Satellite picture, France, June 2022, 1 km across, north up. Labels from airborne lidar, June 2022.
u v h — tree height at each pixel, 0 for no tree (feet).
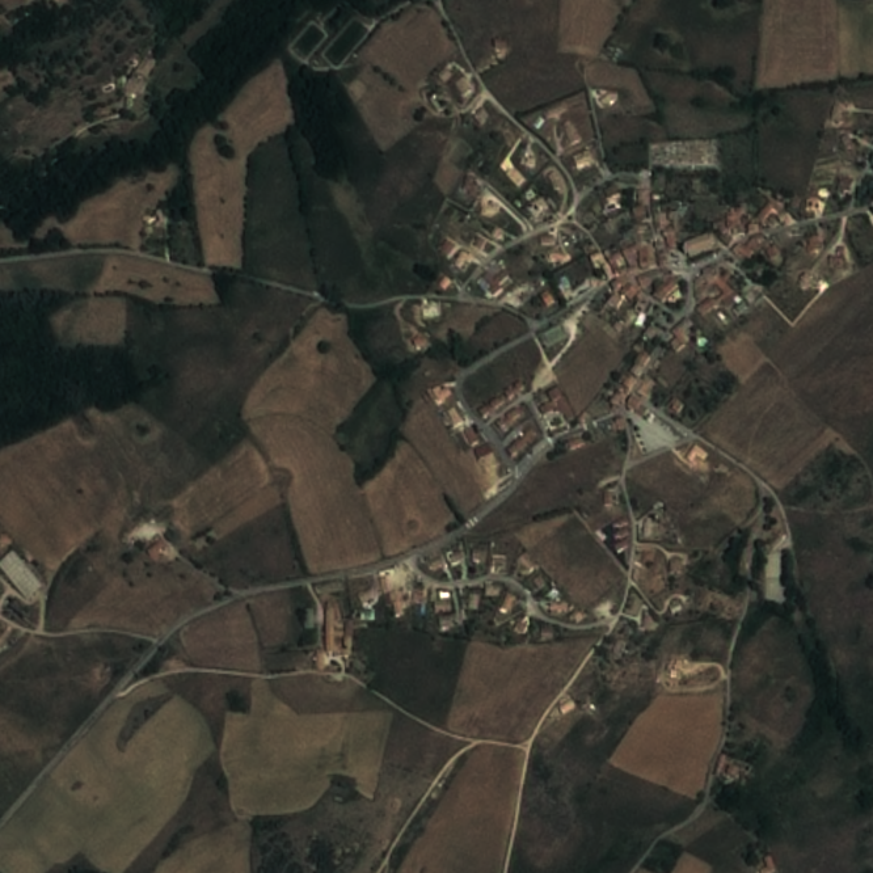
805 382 0
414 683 0
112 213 0
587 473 0
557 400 0
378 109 0
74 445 0
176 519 0
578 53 0
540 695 0
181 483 0
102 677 0
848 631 0
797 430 0
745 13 0
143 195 0
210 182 0
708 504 0
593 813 0
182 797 0
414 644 0
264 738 0
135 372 37
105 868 0
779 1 0
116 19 31
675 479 0
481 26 0
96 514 0
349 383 0
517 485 0
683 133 0
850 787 0
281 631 0
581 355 0
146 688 0
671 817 0
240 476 0
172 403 0
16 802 0
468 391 0
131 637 0
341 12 42
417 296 0
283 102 0
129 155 74
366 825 0
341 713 0
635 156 0
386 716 0
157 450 0
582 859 0
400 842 0
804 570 0
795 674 0
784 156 0
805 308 0
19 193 48
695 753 0
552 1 0
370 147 0
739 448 0
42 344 25
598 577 0
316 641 0
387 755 0
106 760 0
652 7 0
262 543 0
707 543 0
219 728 0
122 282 0
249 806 0
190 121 67
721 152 20
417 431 0
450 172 0
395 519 0
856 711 0
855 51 0
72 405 38
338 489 0
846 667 0
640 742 0
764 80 0
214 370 0
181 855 0
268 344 0
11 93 54
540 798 0
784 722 0
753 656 0
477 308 0
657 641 0
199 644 0
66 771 0
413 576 0
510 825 0
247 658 0
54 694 0
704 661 0
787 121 0
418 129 0
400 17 26
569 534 0
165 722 0
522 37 0
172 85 0
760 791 0
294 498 0
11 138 0
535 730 0
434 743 0
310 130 43
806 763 0
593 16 0
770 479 0
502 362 0
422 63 0
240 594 0
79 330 0
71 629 0
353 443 0
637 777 0
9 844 0
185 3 37
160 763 0
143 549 24
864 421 0
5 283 0
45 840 0
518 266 0
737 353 0
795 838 0
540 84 0
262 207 0
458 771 0
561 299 32
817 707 25
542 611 0
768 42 0
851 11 0
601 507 0
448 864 0
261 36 75
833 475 23
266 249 0
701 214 0
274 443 0
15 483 0
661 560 0
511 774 0
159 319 0
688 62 0
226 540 0
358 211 0
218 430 0
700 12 0
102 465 0
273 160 0
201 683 0
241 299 0
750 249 0
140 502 0
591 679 0
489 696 0
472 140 0
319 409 0
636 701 0
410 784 0
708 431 0
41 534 0
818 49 0
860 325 0
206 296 0
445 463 0
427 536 0
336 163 59
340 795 0
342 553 0
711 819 0
